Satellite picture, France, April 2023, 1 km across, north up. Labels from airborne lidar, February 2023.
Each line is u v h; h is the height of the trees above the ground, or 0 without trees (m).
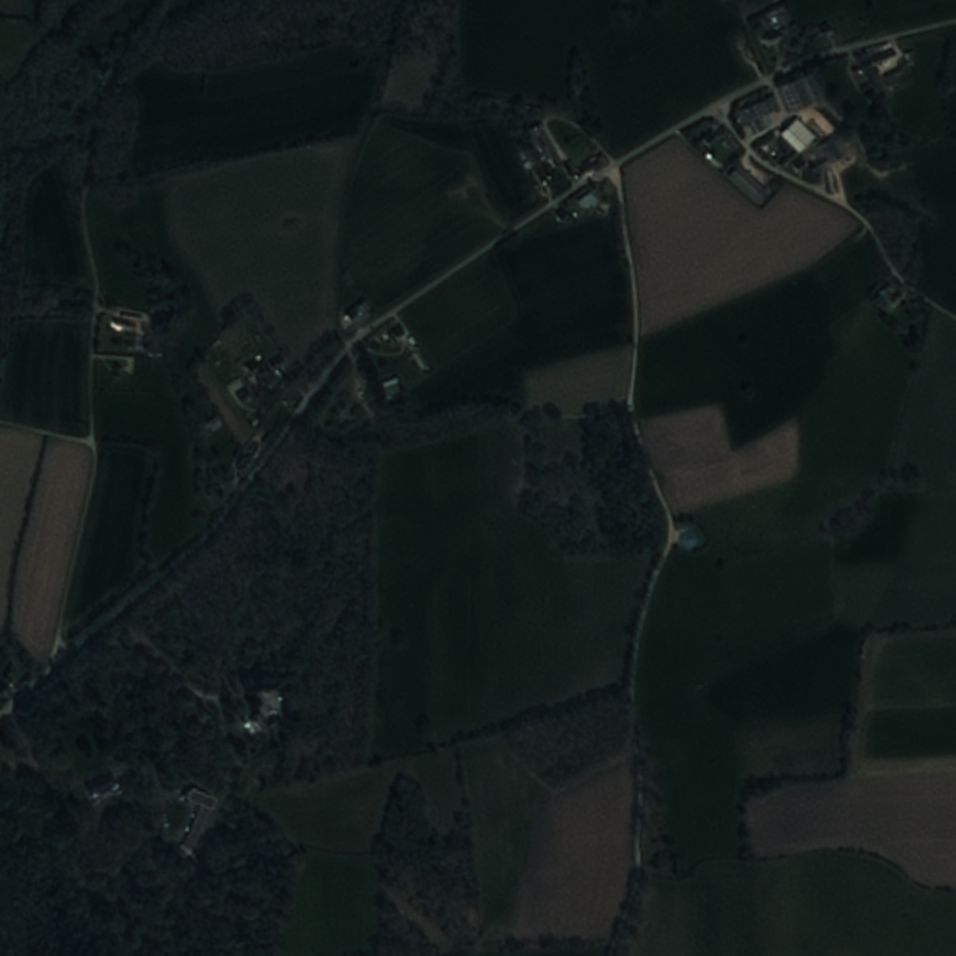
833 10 0
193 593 20
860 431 0
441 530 0
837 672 0
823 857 0
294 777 14
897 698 0
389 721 0
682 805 0
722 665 0
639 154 0
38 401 0
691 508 0
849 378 0
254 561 26
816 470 0
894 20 0
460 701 0
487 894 0
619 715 17
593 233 0
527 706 0
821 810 0
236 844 23
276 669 17
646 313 0
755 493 0
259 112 0
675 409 0
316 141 8
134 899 26
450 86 9
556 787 18
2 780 20
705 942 0
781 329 0
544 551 0
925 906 0
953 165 0
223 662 18
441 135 0
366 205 0
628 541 21
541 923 0
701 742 0
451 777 0
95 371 0
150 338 12
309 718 20
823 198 0
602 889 0
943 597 0
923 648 0
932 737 0
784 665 0
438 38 17
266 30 20
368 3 18
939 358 0
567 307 0
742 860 9
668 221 0
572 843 0
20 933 21
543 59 0
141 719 23
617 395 0
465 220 0
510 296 0
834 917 0
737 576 0
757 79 0
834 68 0
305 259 0
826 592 0
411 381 0
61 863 24
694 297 0
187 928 27
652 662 0
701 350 0
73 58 6
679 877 17
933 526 0
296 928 0
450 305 0
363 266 0
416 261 0
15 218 11
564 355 0
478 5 0
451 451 0
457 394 0
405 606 0
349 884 0
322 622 19
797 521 0
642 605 12
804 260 0
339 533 19
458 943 7
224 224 0
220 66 12
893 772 0
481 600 0
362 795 0
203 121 0
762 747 0
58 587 0
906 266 18
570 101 9
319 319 0
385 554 0
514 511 0
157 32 20
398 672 0
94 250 0
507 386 0
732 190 0
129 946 19
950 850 0
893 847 0
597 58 0
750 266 0
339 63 0
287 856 22
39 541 0
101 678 25
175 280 15
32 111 12
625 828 0
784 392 0
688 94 0
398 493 0
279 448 13
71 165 15
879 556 0
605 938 0
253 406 0
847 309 0
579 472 25
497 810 0
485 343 0
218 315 0
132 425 0
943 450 0
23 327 0
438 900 16
